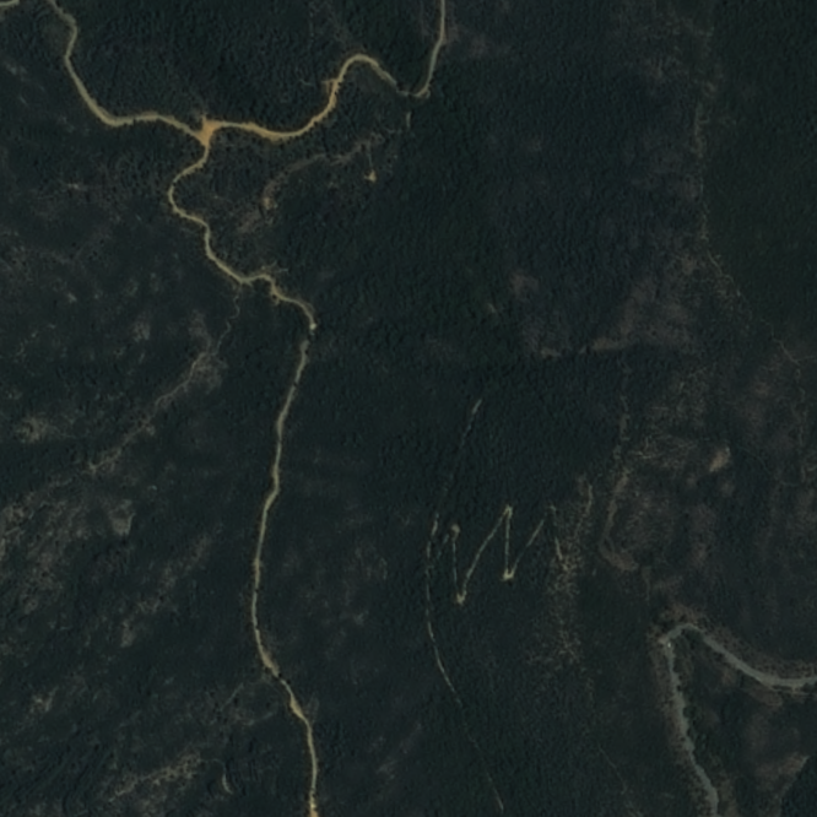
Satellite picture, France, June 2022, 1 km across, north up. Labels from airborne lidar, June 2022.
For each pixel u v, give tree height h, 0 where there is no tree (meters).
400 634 6
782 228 6
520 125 7
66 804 9
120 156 11
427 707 9
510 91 10
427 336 9
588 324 8
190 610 9
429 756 6
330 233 13
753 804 11
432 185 8
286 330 8
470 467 5
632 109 8
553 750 6
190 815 9
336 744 7
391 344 16
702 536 6
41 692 6
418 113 13
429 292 10
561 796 6
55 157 6
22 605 10
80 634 7
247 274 11
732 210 7
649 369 6
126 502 0
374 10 15
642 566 6
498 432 8
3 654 7
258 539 7
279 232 8
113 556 8
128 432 10
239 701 12
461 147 8
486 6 6
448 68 12
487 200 8
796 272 5
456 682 6
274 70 14
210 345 0
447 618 9
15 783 10
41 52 10
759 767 0
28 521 9
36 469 9
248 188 7
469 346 8
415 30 7
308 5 11
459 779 8
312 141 9
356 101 9
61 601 6
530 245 7
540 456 7
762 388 0
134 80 10
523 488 7
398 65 12
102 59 11
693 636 13
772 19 8
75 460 11
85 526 0
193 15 9
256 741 14
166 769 0
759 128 7
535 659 6
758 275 5
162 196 6
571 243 8
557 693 7
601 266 7
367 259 13
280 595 8
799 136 7
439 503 10
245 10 8
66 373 9
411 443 8
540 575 6
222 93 15
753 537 6
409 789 8
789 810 11
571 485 6
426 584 9
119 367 10
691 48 6
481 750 10
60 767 9
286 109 7
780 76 15
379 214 6
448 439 5
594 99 8
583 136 6
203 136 0
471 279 12
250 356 13
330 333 11
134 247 7
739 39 7
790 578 0
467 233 14
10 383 9
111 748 9
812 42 11
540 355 7
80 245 8
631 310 0
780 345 6
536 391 7
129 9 7
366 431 6
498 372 15
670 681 6
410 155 10
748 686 7
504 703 7
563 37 6
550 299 6
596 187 7
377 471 7
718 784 7
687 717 7
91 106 0
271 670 8
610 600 8
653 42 6
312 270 7
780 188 5
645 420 5
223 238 6
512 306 9
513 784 9
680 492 11
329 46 9
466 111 12
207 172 6
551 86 6
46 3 9
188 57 19
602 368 7
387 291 8
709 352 6
